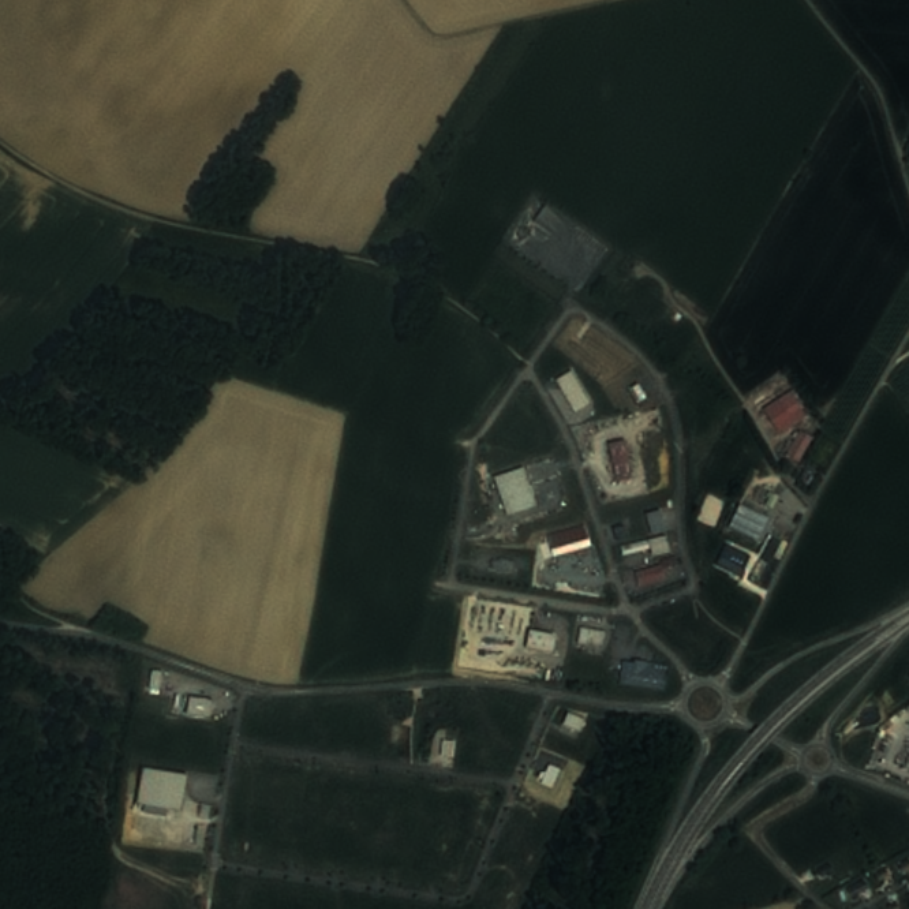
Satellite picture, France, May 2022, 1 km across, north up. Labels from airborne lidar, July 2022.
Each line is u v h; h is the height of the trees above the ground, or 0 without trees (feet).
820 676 0
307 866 0
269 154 0
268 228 0
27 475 0
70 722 102
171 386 102
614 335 0
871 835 0
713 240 0
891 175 0
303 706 0
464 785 0
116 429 121
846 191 0
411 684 0
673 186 0
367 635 0
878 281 0
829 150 0
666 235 0
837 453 0
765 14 0
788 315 0
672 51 0
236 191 83
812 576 0
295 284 46
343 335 0
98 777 101
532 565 0
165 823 0
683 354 0
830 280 0
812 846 0
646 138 0
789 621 0
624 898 32
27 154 0
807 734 0
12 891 53
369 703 0
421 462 0
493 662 0
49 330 0
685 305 0
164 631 0
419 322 71
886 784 0
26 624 0
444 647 0
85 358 77
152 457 42
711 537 0
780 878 0
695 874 33
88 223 0
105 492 0
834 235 0
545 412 0
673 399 0
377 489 0
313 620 0
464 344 0
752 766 22
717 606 0
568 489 0
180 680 0
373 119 0
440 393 0
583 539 0
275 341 82
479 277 0
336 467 0
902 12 0
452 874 0
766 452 40
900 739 0
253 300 80
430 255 89
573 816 22
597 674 0
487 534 0
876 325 0
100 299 72
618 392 0
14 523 0
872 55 0
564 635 0
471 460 0
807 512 0
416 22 0
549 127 0
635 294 0
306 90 0
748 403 0
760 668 0
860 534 0
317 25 0
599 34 0
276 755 0
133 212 0
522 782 0
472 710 0
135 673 0
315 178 0
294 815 0
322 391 0
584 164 0
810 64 0
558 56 0
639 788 76
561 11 0
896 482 0
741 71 0
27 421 80
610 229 0
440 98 0
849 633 0
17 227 0
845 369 0
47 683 102
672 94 0
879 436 0
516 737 0
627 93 0
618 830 75
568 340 0
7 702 96
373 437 0
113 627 38
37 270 0
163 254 69
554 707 0
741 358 38
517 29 0
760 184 0
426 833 0
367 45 0
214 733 0
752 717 0
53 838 61
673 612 0
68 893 58
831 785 25
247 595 0
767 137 0
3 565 70
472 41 0
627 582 0
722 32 0
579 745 0
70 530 0
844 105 0
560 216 0
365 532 0
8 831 62
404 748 0
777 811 0
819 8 0
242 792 0
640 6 0
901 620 0
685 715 0
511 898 0
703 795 0
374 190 0
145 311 77
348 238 0
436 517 0
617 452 0
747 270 0
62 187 0
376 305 0
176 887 0
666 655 0
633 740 19
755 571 0
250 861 0
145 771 0
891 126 0
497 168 0
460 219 0
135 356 101
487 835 0
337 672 0
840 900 0
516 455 0
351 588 0
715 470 0
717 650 0
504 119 0
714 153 0
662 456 0
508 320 0
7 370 0
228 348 83
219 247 0
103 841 54
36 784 98
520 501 0
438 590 0
